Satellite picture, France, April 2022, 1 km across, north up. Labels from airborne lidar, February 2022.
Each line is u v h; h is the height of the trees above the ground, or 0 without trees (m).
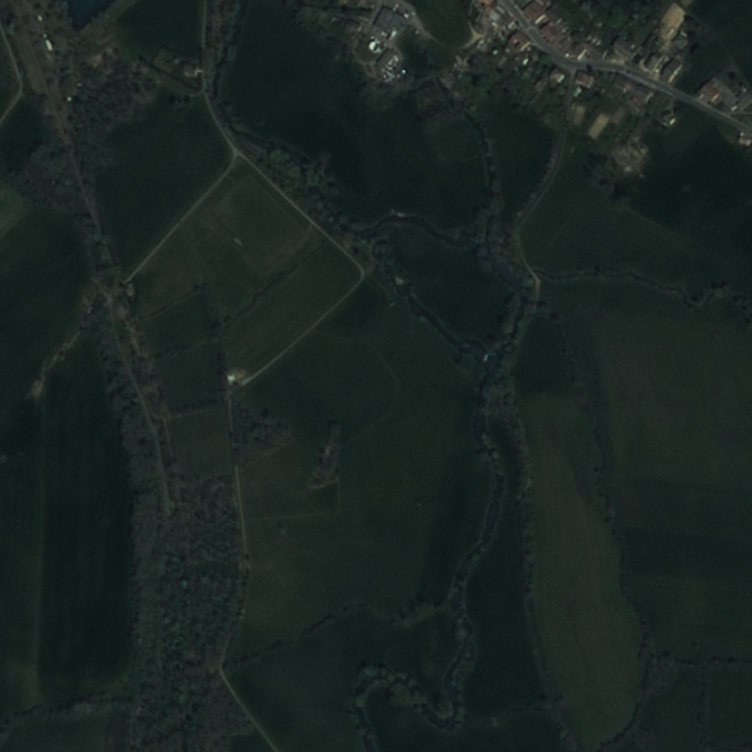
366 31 0
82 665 0
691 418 0
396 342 0
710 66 0
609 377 0
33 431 0
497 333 0
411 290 9
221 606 17
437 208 0
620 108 0
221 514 25
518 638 0
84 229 8
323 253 0
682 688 0
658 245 0
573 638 0
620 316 0
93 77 12
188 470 0
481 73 22
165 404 17
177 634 20
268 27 0
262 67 0
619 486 0
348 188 0
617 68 0
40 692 0
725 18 0
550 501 0
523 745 0
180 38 0
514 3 0
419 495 0
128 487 0
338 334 0
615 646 0
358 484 0
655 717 0
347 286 0
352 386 0
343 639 0
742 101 0
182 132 0
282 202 0
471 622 0
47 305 0
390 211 0
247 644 0
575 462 0
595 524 0
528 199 7
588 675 0
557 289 0
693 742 0
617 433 0
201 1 0
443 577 0
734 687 0
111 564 0
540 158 0
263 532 0
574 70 0
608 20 15
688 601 0
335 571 0
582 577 0
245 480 0
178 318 0
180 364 0
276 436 21
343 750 0
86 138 21
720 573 0
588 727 0
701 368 0
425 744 0
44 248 0
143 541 20
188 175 0
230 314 0
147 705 16
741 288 0
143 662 7
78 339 0
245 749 0
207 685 14
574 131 0
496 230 18
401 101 0
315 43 0
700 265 0
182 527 16
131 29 0
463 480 0
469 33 0
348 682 0
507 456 0
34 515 0
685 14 0
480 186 0
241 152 0
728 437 0
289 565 0
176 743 32
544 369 0
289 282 0
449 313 0
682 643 0
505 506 0
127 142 0
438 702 0
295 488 0
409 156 0
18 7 13
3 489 0
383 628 0
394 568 0
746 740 0
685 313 0
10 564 0
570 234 0
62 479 0
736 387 0
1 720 0
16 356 0
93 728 0
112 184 0
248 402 0
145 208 0
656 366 0
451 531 0
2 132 0
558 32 0
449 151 0
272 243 0
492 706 0
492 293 0
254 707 0
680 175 0
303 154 0
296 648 0
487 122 0
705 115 0
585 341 0
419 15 0
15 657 0
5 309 0
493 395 30
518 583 0
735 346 0
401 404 0
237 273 0
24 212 0
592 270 0
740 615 0
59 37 11
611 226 0
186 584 13
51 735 0
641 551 0
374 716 0
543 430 0
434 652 0
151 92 13
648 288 0
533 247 0
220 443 0
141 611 18
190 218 0
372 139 0
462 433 0
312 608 0
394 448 0
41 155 21
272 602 0
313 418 0
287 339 0
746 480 0
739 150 0
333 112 0
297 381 0
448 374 0
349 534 0
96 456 0
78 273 0
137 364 8
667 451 0
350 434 0
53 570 0
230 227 0
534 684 0
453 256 0
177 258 0
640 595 0
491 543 0
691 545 0
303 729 0
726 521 0
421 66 0
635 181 0
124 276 0
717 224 0
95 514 0
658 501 0
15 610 0
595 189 29
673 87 0
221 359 8
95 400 0
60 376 0
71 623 0
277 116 0
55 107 0
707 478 0
